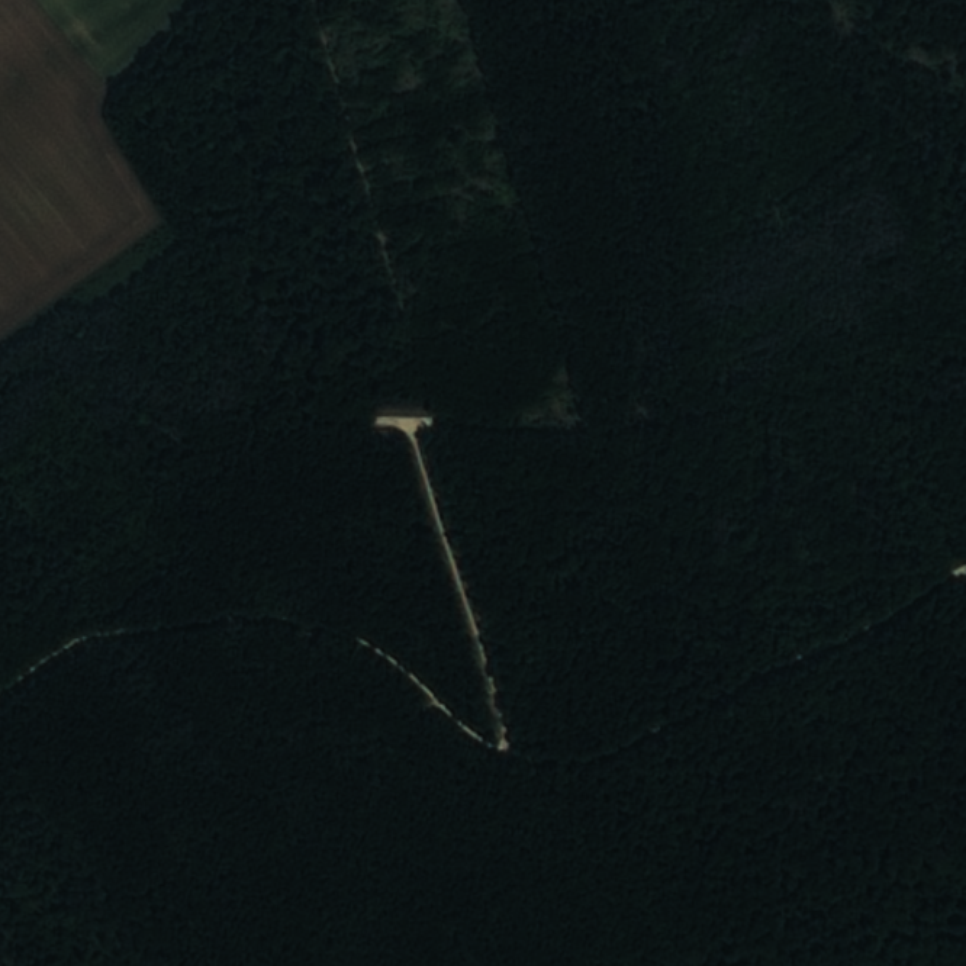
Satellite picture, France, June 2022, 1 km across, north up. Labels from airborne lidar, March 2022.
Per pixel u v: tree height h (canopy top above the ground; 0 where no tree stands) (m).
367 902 21
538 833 20
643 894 21
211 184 22
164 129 21
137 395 13
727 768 26
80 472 11
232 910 0
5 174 0
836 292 22
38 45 0
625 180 24
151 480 14
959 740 26
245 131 25
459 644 19
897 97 0
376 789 20
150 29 0
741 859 25
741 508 19
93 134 0
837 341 18
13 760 12
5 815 16
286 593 20
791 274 20
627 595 23
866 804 26
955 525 20
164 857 17
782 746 27
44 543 20
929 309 21
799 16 22
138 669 21
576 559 22
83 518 6
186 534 15
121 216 0
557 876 19
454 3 0
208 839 0
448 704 14
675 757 23
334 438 20
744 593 26
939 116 23
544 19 17
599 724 23
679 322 18
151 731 20
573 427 0
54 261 0
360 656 16
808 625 19
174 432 21
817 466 19
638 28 21
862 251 18
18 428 19
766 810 27
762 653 21
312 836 20
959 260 16
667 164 20
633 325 25
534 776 21
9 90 0
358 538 20
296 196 20
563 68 24
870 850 26
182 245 15
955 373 14
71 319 17
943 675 25
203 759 21
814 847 29
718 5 22
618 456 25
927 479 22
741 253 19
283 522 20
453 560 0
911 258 19
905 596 21
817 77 21
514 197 0
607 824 20
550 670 22
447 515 20
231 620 24
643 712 24
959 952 25
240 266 23
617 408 23
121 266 0
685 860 17
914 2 0
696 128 17
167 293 18
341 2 9
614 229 21
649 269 24
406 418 0
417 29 0
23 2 0
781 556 23
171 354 19
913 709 24
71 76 0
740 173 21
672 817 23
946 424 24
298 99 25
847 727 26
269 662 20
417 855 19
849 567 20
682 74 13
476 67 0
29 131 0
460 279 7
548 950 16
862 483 23
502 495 22
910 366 6
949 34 19
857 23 0
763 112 16
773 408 16
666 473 17
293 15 22
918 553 21
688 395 20
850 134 10
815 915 20
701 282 16
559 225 20
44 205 0
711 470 21
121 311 17
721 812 26
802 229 10
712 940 18
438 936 21
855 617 21
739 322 14
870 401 16
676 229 19
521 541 23
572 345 18
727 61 13
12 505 14
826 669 22
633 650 23
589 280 20
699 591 24
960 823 25
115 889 21
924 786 25
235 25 20
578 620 20
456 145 24
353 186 25
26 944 7
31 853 17
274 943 0
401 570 23
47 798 17
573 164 19
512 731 25
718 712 23
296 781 19
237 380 20
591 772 25
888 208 23
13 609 21
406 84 0
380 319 25
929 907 22
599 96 27
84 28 0
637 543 18
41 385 20
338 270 25
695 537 23
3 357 19
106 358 20
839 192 20
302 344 27
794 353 19
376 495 19
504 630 25
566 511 24
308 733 19
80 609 22
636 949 17
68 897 19
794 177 7
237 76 23
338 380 14
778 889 24
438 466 18
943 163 30
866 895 23
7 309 0
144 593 16
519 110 20
